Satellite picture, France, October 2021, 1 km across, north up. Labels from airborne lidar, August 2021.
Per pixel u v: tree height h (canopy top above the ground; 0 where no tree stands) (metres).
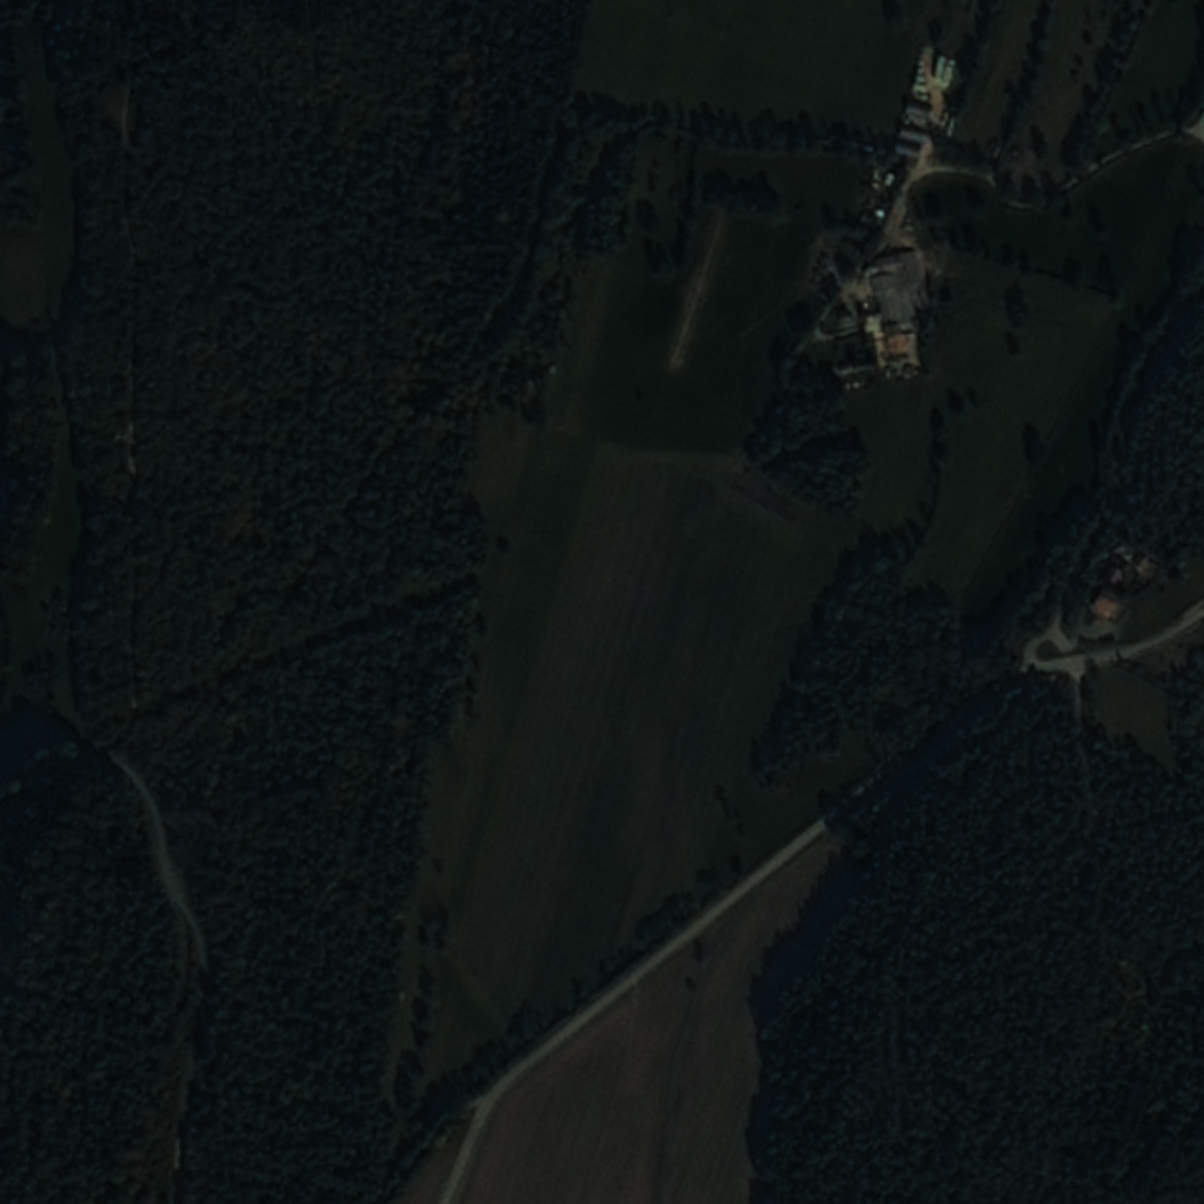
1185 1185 19
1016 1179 9
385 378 17
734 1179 0
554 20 24
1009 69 0
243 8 15
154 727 14
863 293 0
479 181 22
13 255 0
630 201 12
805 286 0
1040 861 17
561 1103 0
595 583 0
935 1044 19
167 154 18
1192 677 8
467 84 20
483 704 0
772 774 16
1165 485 13
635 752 0
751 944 0
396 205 10
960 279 0
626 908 0
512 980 0
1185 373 17
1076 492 0
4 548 34
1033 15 0
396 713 23
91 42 9
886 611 18
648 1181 0
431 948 15
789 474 17
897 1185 17
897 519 0
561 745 0
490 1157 0
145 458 12
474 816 0
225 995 18
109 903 14
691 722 0
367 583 17
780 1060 20
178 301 16
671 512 0
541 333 15
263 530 17
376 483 19
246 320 16
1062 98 0
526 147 19
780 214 24
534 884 0
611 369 0
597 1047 0
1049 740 16
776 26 0
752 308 0
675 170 0
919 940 19
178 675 18
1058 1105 18
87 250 20
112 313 15
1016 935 18
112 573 15
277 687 17
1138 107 0
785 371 12
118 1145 19
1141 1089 16
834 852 0
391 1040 11
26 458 22
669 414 0
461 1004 0
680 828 0
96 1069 19
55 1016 21
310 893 24
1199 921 22
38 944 16
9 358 25
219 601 21
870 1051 10
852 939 26
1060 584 11
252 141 14
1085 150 16
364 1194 20
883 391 0
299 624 18
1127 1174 8
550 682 0
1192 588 0
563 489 0
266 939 17
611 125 20
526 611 0
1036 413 0
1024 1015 15
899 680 18
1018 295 0
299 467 13
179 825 22
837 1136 16
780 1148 24
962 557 0
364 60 10
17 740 7
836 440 8
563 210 19
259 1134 18
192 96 20
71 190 0
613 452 0
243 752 20
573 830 0
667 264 15
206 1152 16
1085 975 19
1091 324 0
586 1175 0
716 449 0
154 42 13
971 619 0
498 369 18
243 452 19
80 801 13
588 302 0
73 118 12
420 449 25
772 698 0
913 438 0
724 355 0
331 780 24
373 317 12
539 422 14
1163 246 0
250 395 19
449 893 0
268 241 15
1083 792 13
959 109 11
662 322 0
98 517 22
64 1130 15
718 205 17
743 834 14
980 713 17
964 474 0
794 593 0
